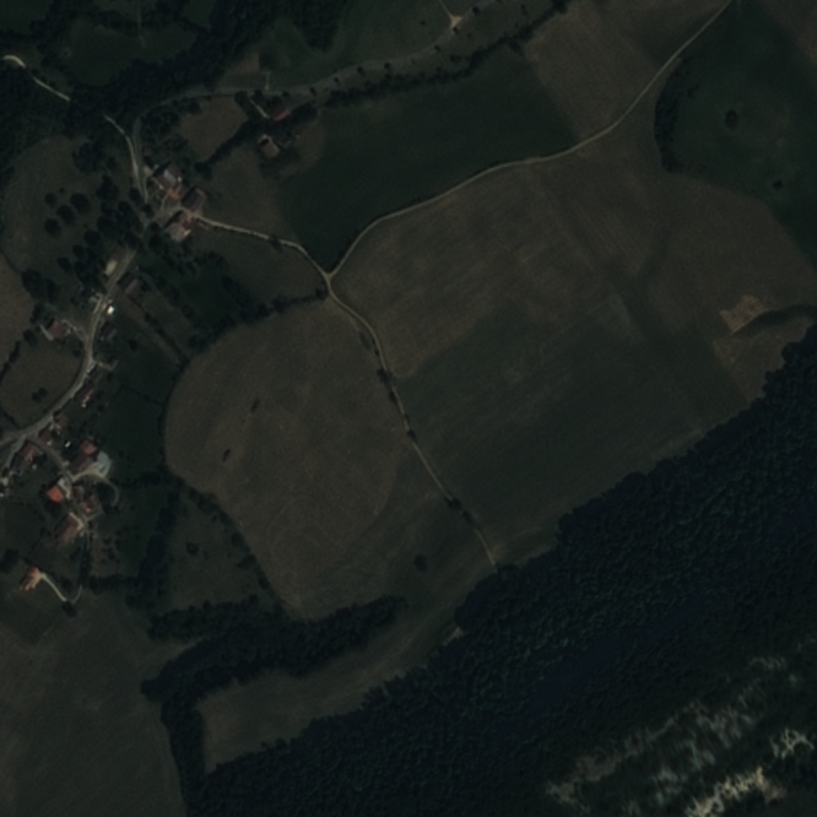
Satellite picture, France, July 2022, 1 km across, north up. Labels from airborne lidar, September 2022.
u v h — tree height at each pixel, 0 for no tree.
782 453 13
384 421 0
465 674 8
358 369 0
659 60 0
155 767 0
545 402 0
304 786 25
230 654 31
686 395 0
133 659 0
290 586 0
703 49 0
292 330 0
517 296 0
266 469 0
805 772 29
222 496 0
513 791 16
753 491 25
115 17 7
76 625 0
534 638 17
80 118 17
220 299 0
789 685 7
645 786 9
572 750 14
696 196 0
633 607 30
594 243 0
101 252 18
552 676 22
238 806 17
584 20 0
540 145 0
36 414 0
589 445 0
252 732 0
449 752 26
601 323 0
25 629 0
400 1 0
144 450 0
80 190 0
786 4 0
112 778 0
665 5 0
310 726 0
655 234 0
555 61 0
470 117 0
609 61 0
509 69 0
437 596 0
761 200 0
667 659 15
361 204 0
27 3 0
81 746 0
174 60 0
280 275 0
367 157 0
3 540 0
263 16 24
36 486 0
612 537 25
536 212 0
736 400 0
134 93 23
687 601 24
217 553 0
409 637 0
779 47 0
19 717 0
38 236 0
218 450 0
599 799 13
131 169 0
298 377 0
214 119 0
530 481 0
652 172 0
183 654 0
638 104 0
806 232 0
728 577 24
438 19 0
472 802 13
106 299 0
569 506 0
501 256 0
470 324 0
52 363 0
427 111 0
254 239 6
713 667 11
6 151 7
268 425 0
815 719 20
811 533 25
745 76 0
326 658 22
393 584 0
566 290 0
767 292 0
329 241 0
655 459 0
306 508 0
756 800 14
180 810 0
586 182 0
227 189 0
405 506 0
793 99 0
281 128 18
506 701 28
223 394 0
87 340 0
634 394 0
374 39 0
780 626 11
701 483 17
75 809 0
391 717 12
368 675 0
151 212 16
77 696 0
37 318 12
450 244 0
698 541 22
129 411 0
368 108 0
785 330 0
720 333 0
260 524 0
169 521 20
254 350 0
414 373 0
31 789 0
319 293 9
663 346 0
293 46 0
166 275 0
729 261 0
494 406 0
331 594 0
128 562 0
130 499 0
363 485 0
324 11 15
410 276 0
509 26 0
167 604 0
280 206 0
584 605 19
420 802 26
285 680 0
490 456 0
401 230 0
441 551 0
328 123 0
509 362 0
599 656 25
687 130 0
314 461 0
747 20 0
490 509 0
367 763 26
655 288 0
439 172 0
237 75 0
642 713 10
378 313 0
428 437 0
